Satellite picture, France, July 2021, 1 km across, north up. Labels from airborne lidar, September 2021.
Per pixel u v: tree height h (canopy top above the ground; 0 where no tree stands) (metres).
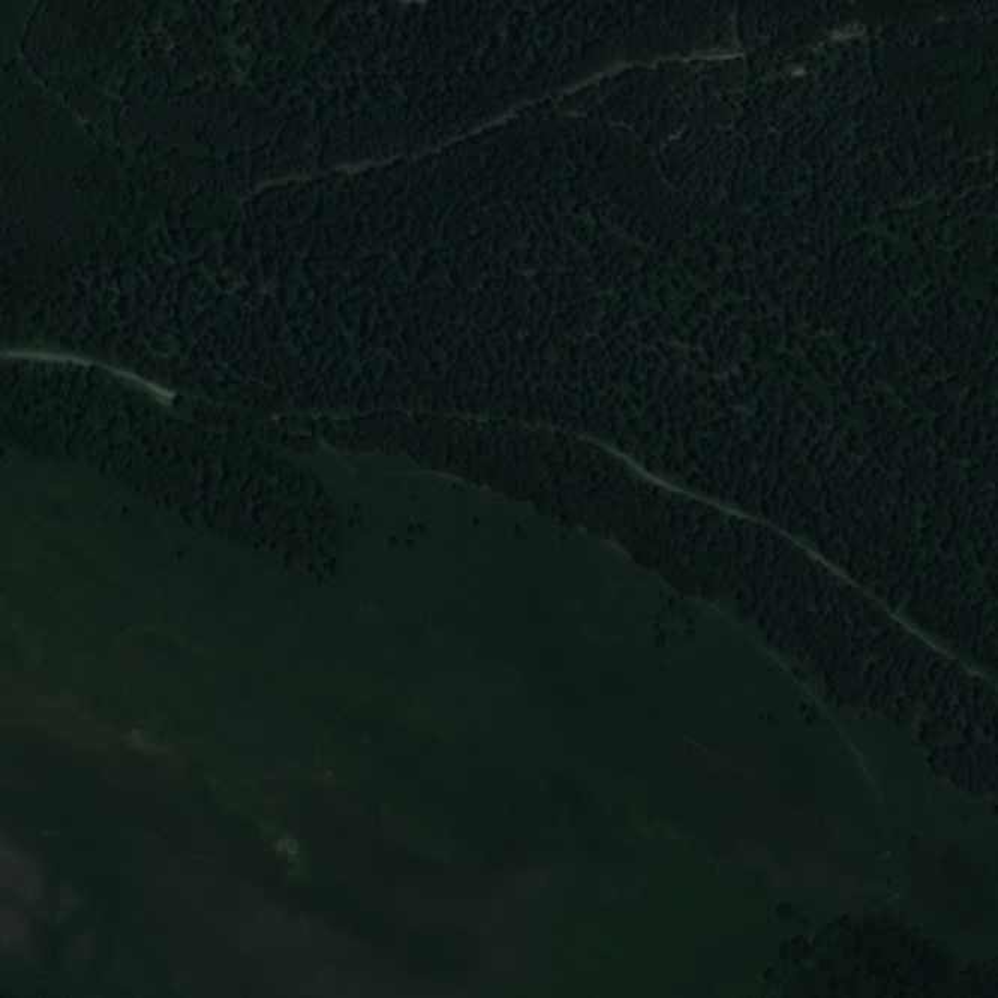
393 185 19
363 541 0
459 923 0
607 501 22
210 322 28
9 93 20
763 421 18
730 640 0
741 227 18
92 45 22
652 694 0
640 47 20
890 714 12
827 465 27
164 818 0
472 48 19
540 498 18
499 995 0
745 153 20
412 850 0
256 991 0
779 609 27
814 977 7
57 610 0
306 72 11
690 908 0
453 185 21
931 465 25
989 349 23
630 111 24
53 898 0
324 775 0
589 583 0
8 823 0
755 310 23
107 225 19
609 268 26
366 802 0
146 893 0
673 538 17
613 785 0
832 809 0
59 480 0
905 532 22
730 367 28
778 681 0
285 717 0
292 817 0
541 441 21
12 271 26
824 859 0
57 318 20
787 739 0
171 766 0
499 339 18
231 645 0
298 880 0
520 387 14
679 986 0
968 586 18
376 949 0
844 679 24
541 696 0
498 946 0
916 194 24
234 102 23
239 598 0
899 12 23
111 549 0
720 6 21
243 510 22
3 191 21
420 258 27
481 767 0
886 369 19
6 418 18
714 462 19
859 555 21
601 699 0
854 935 8
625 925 0
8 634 0
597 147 22
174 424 22
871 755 0
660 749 0
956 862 0
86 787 0
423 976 0
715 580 27
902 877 0
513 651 0
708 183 20
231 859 0
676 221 24
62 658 0
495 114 20
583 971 0
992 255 12
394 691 0
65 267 16
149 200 20
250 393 27
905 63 20
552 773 0
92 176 18
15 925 0
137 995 0
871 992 7
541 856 0
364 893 0
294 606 0
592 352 14
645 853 0
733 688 0
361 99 30
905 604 19
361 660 0
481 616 0
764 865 0
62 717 0
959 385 25
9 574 0
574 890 0
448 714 0
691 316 11
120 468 20
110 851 0
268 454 19
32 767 0
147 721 0
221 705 0
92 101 20
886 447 18
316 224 19
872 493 23
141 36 15
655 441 24
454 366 14
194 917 0
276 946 0
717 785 0
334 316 23
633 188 20
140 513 0
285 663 0
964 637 16
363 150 23
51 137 19
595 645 0
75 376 8
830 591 21
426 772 0
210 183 24
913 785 0
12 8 23
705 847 0
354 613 0
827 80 17
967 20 25
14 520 0
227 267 12
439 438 19
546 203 25
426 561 0
